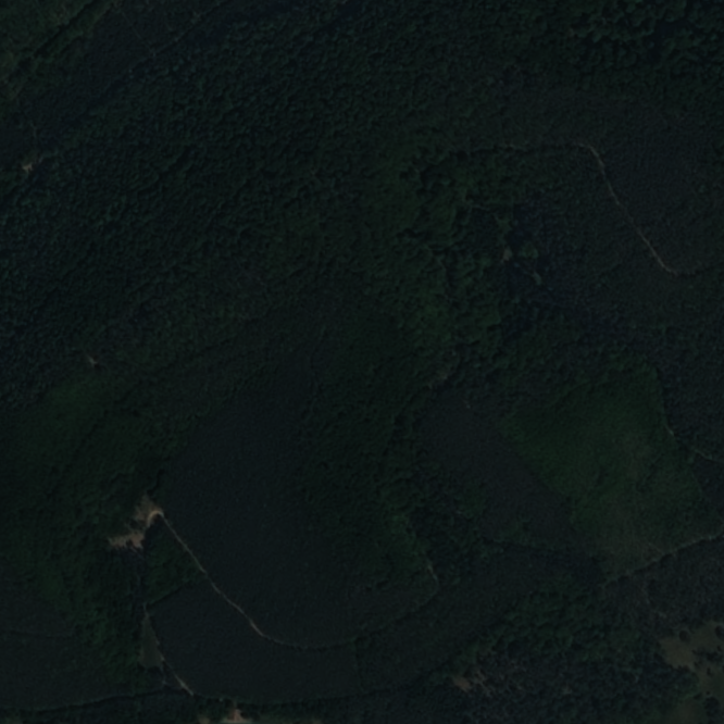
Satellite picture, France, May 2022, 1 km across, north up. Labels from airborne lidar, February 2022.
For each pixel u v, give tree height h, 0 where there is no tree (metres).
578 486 0
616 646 26
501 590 24
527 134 25
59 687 22
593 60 31
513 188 29
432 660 24
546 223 35
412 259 35
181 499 22
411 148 33
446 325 32
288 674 16
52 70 6
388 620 20
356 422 29
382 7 26
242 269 30
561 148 24
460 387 25
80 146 27
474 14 29
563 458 0
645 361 30
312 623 11
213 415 21
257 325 26
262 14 7
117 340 25
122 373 21
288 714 24
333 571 16
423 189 29
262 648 16
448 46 22
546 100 20
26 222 29
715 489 13
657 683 34
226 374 22
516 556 29
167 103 28
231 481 14
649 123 22
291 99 29
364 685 16
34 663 21
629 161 20
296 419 19
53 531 31
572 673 30
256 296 21
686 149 23
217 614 22
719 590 22
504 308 22
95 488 27
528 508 21
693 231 22
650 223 21
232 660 18
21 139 13
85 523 31
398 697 19
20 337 25
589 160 24
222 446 13
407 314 26
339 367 0
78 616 22
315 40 29
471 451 19
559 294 33
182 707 23
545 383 30
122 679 21
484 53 24
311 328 18
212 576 13
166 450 21
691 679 20
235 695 15
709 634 0
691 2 36
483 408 23
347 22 27
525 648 27
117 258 26
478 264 27
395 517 14
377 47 29
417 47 26
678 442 16
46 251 27
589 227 24
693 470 15
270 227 27
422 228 21
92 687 24
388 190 37
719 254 20
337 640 15
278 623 11
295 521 16
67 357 24
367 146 26
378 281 26
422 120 24
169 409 24
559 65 30
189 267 24
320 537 18
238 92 29
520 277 39
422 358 20
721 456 30
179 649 20
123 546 0
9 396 22
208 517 13
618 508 0
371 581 19
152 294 21
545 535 19
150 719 18
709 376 26
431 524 21
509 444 12
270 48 30
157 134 29
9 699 24
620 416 0
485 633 30
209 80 29
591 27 37
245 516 11
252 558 12
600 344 32
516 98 23
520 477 21
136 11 6
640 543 0
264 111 29
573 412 0
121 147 26
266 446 15
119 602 23
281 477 15
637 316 27
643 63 33
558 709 29
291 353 20
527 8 29
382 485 29
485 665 30
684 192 17
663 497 0
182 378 25
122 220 29
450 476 20
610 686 30
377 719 20
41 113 11
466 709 30
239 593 14
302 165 26
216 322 21
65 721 11
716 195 20
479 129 26
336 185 27
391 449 20
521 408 20
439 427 23
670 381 29
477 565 24
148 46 10
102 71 10
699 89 25
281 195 27
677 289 19
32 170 0
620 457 0
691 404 27
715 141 24
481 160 29
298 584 14
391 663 25
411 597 22
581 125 26
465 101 23
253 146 31
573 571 26
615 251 19
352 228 32
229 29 28
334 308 15
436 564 26
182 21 12
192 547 14
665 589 19
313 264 19
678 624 20
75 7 27
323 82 31
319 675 18
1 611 16
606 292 30
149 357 22
